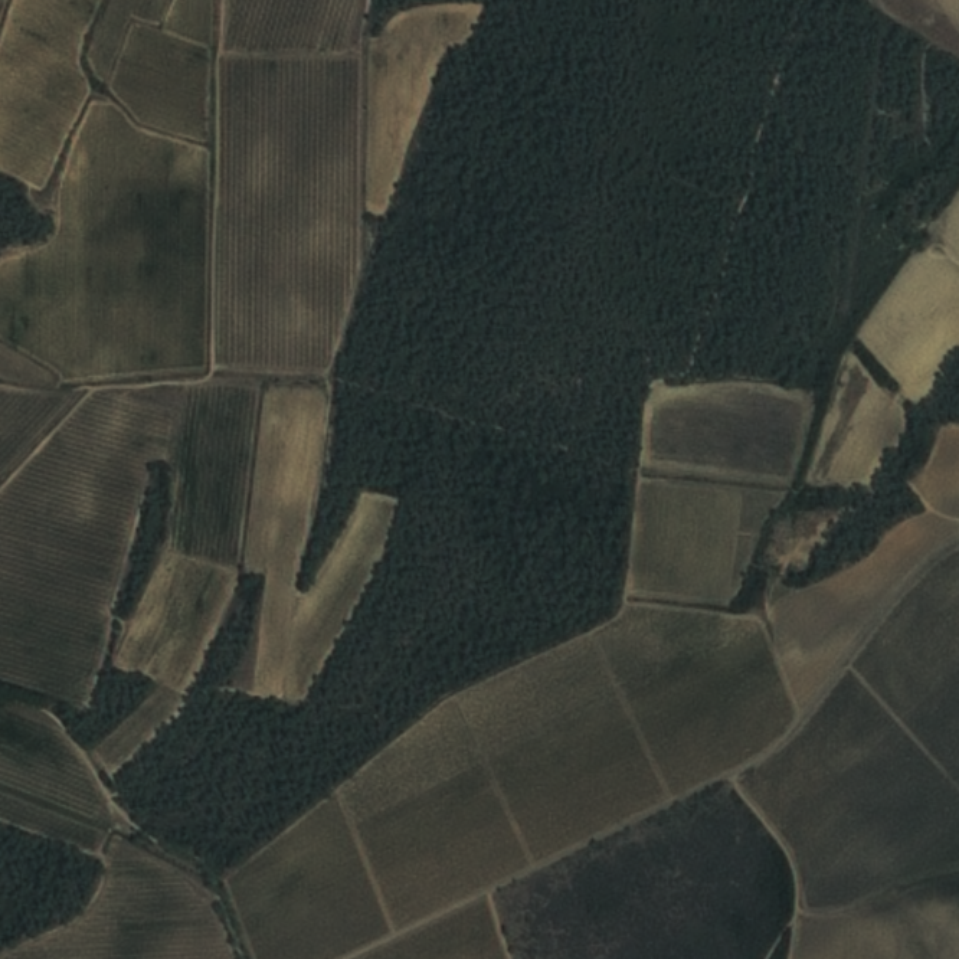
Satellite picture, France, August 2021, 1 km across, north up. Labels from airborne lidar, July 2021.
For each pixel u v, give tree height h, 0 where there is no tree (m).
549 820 0
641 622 0
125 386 0
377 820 0
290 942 0
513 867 0
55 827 0
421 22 0
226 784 16
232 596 0
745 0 8
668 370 9
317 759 10
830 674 0
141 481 0
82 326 0
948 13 0
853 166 9
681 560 0
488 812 0
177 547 0
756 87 10
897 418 0
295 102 0
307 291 0
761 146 12
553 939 0
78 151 0
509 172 16
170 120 0
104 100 0
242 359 0
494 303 12
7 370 0
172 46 0
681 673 0
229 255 0
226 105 0
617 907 0
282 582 0
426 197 8
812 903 0
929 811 0
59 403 0
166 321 0
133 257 0
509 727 0
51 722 0
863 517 11
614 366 11
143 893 0
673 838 0
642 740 0
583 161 9
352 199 0
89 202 0
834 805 0
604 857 0
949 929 0
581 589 14
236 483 0
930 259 0
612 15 11
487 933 0
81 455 0
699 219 9
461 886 0
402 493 12
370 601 11
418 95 0
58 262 0
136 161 0
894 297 0
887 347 0
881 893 0
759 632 0
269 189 0
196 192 0
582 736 0
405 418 13
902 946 0
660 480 0
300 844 0
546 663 0
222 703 11
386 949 0
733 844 0
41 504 0
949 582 0
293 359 0
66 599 0
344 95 0
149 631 0
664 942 0
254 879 0
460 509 12
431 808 0
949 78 14
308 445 0
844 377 0
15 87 0
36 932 17
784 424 0
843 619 0
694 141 10
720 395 0
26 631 0
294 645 0
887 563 0
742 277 14
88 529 0
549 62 17
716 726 0
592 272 11
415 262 11
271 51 0
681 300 13
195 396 0
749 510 0
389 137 0
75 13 0
